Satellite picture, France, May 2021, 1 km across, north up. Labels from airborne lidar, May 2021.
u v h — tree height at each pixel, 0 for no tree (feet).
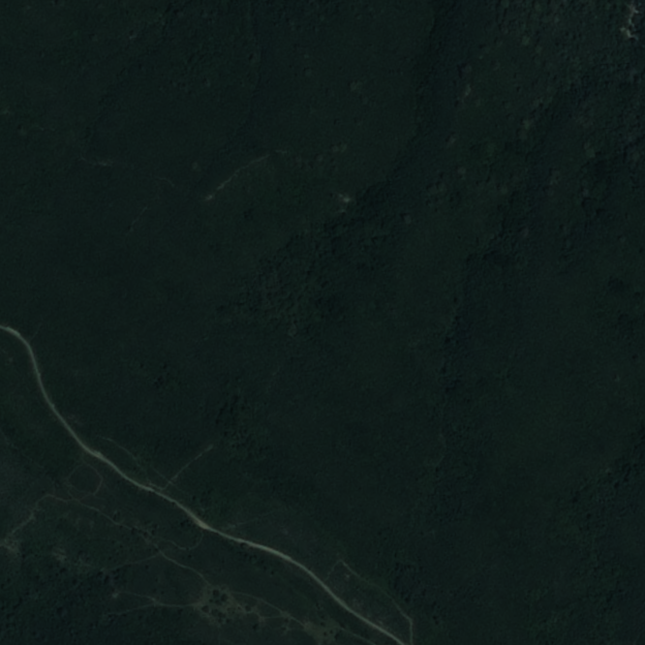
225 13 20
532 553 18
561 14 29
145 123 19
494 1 26
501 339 18
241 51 19
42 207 19
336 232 48
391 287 18
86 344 18
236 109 18
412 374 18
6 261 19
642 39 41
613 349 20
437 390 21
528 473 18
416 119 32
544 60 25
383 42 20
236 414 28
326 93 28
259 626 31
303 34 19
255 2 40
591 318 20
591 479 18
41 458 17
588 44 24
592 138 21
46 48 23
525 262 22
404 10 18
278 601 0
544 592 21
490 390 19
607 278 21
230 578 0
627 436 29
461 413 17
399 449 18
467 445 17
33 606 20
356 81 35
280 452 17
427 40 41
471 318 20
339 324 19
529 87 20
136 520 0
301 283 24
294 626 0
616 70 31
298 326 22
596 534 21
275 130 18
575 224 19
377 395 17
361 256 21
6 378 22
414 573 20
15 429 18
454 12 23
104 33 18
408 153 20
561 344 18
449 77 17
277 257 25
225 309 46
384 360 17
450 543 25
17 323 20
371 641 0
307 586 0
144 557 0
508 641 18
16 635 20
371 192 68
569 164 20
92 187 19
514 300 18
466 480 20
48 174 19
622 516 23
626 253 18
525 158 20
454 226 19
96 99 18
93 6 18
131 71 21
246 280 29
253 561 30
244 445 25
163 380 34
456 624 25
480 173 20
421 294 20
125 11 22
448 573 19
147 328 21
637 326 29
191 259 18
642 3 63
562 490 18
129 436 18
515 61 44
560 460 18
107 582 41
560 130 17
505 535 18
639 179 19
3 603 33
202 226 20
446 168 18
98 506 0
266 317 23
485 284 20
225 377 18
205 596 0
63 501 0
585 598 21
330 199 22
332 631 20
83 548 19
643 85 48
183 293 17
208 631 0
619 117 39
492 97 35
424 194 20
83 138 20
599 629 20
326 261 23
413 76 26
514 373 17
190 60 31
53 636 29
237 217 18
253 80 20
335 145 42
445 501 24
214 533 20
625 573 20
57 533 23
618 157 49
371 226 22
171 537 0
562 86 49
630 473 51
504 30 50
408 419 21
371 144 23
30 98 18
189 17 18
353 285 19
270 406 20
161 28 21
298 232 26
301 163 34
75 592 24
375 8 18
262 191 18
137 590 0
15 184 18
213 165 19
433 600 17
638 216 19
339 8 29
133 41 24
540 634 31
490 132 19
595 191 33
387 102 21
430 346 24
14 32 18
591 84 26
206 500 29
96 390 19
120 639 25
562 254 20
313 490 19
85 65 22
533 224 18
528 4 43
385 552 19
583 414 17
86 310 18
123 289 17
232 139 20
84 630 19
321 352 19
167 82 22
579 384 19
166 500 22
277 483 19
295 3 20
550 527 18
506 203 22
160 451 19
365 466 17
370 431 18
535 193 24
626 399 24
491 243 41
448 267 17
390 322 18
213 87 22
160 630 29
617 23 40
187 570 0
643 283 21
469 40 22
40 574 23
